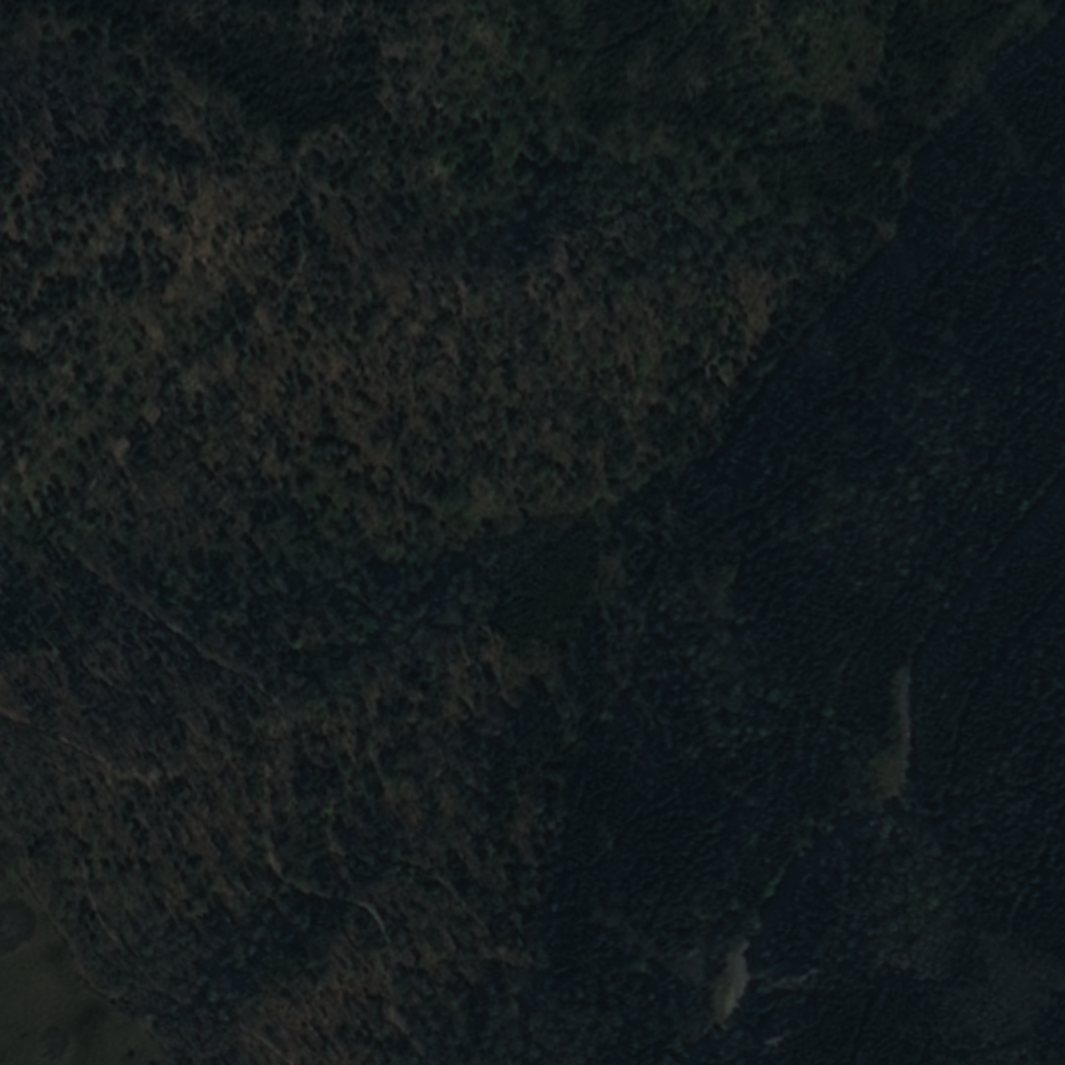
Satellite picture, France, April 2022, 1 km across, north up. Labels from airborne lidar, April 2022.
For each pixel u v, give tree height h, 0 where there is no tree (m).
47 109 30
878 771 16
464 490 25
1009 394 23
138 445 33
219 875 17
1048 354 21
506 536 11
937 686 18
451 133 17
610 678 24
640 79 23
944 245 23
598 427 29
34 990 0
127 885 24
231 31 17
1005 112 24
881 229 12
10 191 18
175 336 29
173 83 36
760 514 15
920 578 25
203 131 16
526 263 17
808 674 17
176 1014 8
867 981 15
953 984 18
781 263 16
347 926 8
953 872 27
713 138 14
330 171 27
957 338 17
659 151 14
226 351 28
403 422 31
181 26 15
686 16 21
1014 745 20
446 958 36
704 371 14
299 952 15
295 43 11
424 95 9
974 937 24
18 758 16
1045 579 23
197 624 8
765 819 24
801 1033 14
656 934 20
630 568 9
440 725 19
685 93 18
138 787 20
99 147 26
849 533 25
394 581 44
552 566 7
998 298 23
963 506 21
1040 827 18
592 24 19
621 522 8
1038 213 23
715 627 20
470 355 27
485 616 8
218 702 17
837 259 21
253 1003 16
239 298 14
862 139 24
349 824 21
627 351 27
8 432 15
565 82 20
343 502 6
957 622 30
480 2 23
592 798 28
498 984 39
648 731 22
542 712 26
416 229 36
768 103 22
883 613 24
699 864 20
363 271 28
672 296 7
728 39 25
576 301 18
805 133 15
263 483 37
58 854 20
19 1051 0
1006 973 21
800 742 24
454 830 26
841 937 14
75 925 17
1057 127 30
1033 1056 19
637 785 20
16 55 36
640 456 24
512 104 25
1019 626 22
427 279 29
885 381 11
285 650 9
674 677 17
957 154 27
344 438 7
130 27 33
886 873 21
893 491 27
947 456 29
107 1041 0
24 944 0
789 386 19
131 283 32
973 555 24
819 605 23
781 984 8
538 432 30
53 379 15
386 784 35
